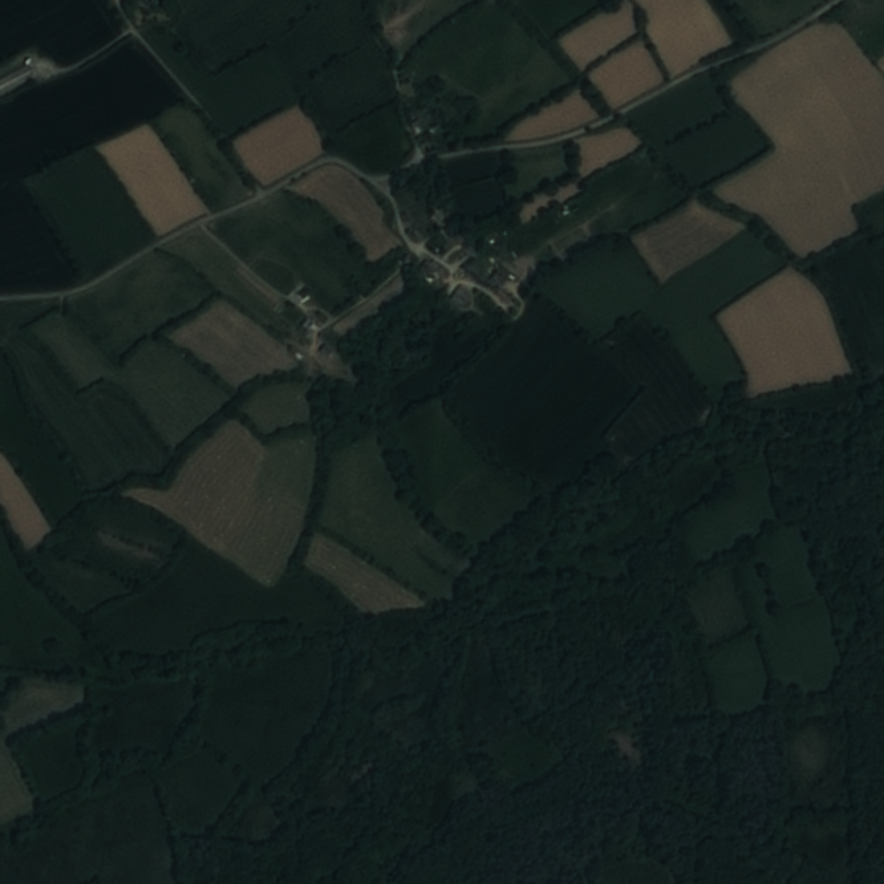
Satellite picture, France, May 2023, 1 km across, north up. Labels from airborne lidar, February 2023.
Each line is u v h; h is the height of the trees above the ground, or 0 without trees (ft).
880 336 0
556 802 60
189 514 0
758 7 0
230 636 23
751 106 0
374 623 40
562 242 0
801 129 0
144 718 0
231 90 0
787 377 0
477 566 56
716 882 71
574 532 67
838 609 39
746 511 0
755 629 23
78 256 0
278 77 0
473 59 0
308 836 59
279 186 0
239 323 0
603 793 57
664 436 0
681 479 0
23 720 0
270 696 0
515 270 0
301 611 0
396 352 52
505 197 21
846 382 34
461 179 0
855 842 54
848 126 0
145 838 0
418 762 47
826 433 67
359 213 0
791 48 0
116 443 0
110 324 0
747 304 0
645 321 19
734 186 0
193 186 24
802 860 47
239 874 52
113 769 43
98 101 0
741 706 0
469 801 36
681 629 41
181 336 0
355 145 0
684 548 23
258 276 0
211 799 0
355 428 37
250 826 0
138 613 0
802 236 0
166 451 25
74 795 28
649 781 66
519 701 53
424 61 0
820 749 0
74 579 0
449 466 0
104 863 0
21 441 0
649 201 0
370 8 26
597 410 0
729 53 30
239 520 0
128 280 0
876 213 0
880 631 51
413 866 73
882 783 52
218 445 0
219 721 0
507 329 38
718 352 0
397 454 48
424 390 0
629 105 0
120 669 51
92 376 0
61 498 0
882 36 0
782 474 23
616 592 50
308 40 0
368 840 55
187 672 51
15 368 25
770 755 79
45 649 36
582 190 42
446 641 30
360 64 0
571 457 0
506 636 58
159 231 0
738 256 0
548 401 0
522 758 0
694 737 94
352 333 30
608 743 24
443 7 0
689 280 0
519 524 59
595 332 0
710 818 20
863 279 0
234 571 0
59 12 0
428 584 0
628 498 56
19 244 0
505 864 68
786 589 0
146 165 0
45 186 0
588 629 60
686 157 0
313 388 19
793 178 0
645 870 0
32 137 0
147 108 0
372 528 0
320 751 38
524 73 0
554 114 0
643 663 71
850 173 0
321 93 0
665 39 0
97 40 0
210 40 0
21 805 0
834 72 0
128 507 39
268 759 0
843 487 71
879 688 60
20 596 0
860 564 65
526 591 21
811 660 0
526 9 0
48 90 0
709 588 0
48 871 0
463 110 31
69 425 0
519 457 0
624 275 0
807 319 0
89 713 72
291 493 0
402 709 47
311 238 0
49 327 0
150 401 0
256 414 0
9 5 0
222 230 0
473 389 0
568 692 59
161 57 0
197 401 0
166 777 0
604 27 0
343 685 50
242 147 0
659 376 0
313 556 0
